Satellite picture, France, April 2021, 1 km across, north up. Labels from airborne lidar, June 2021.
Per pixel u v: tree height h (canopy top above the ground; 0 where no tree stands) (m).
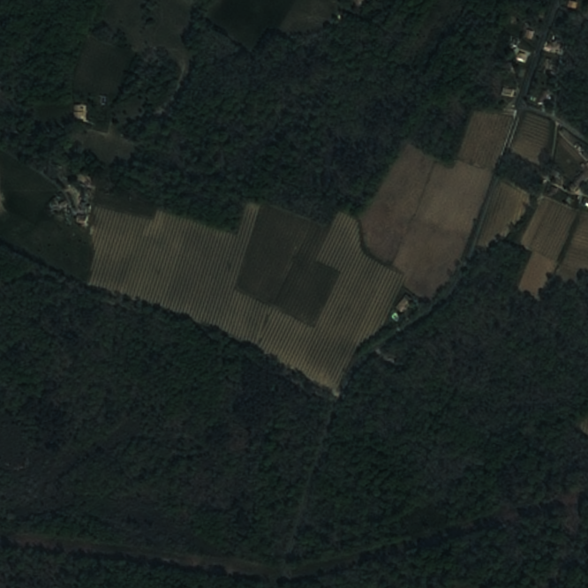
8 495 8
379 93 19
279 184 20
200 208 18
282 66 15
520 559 13
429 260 0
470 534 13
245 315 0
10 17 17
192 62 0
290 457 15
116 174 11
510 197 0
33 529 19
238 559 7
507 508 6
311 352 0
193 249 0
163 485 18
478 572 25
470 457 22
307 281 0
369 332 0
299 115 12
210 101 21
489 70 8
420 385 17
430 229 0
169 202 13
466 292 18
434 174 0
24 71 19
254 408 21
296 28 0
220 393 20
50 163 17
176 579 23
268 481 23
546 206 0
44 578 7
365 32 18
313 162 21
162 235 0
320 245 0
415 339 13
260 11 0
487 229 0
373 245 0
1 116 15
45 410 15
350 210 9
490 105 20
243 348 17
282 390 22
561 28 16
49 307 11
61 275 9
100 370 17
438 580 18
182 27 0
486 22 18
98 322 13
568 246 0
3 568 17
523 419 14
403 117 15
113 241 0
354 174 20
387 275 0
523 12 18
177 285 0
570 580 18
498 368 10
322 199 11
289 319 0
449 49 19
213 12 0
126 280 0
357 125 14
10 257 20
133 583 23
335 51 16
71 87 13
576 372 20
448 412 24
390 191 0
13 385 21
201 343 21
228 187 23
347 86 23
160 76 12
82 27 19
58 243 0
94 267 0
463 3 6
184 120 18
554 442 21
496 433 15
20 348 17
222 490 11
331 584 16
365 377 19
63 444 19
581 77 18
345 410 16
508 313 16
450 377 10
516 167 17
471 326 16
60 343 13
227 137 24
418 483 24
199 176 8
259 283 0
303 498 20
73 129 23
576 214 0
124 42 7
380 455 28
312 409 21
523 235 0
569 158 0
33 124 16
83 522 12
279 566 16
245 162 15
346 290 0
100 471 16
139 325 14
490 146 0
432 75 21
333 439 15
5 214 0
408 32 13
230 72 18
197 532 14
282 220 0
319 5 0
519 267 15
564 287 16
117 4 0
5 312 18
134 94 7
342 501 20
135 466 21
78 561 20
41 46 25
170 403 20
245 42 0
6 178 0
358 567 11
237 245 0
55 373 12
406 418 19
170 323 17
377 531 21
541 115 0
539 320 15
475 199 0
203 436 14
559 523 20
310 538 22
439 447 20
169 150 13
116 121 9
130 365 17
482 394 8
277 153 20
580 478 19
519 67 16
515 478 26
